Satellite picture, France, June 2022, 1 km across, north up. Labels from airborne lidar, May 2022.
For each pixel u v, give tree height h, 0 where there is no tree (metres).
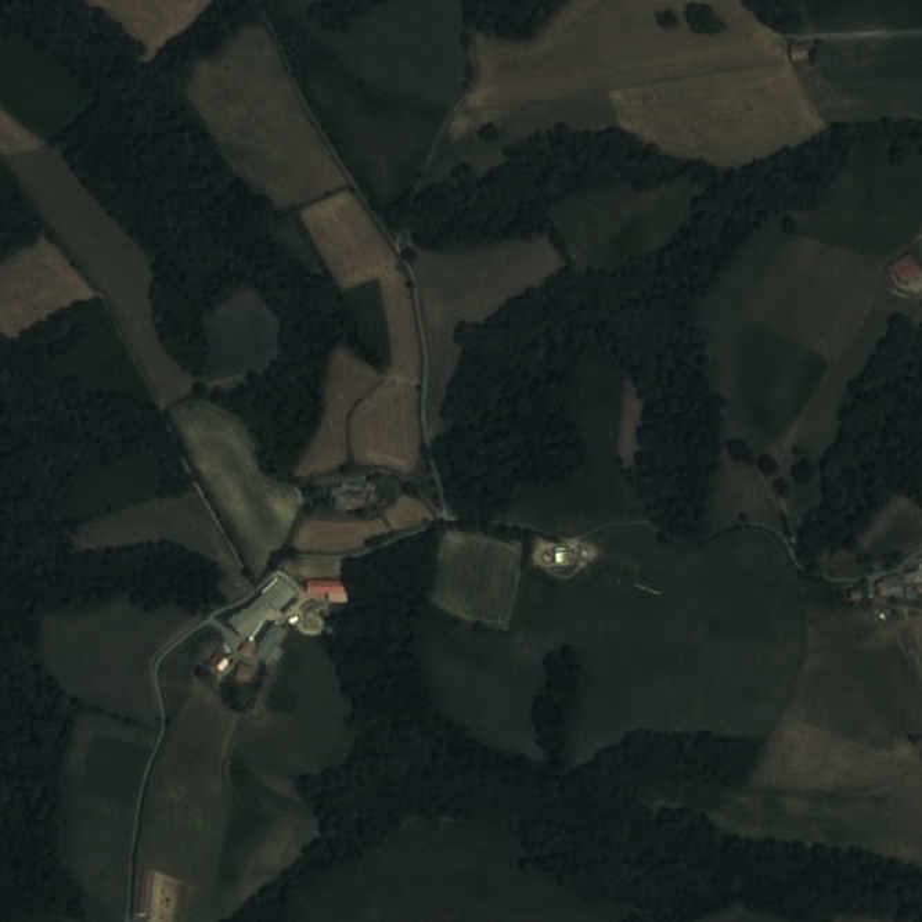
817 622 0
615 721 0
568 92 0
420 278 0
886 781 0
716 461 10
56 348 11
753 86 0
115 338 0
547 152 16
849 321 0
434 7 0
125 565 23
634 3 0
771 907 23
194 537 0
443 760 18
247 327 0
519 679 0
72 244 0
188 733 0
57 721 22
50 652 0
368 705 24
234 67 0
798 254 0
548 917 0
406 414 0
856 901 25
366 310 0
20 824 31
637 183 20
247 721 0
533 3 25
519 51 0
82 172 17
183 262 17
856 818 0
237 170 0
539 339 23
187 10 0
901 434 23
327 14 18
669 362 27
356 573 20
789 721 0
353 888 0
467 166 14
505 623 0
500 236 11
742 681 0
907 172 0
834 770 0
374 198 5
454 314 0
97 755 0
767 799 0
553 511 0
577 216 0
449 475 15
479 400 28
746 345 0
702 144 0
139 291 0
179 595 13
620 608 0
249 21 19
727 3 0
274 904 26
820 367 0
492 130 16
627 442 0
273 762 0
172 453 13
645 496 16
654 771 26
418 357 0
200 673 10
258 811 0
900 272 0
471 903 0
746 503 0
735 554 0
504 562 0
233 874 0
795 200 23
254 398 9
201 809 0
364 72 0
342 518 0
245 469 0
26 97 0
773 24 15
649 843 21
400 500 0
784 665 0
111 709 0
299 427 7
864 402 24
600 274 12
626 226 0
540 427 20
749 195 21
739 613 0
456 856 0
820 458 0
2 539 25
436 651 0
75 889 7
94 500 0
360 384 0
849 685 0
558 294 19
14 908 26
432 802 25
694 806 0
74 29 28
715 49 0
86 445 16
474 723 0
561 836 26
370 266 0
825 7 0
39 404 19
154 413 13
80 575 18
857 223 0
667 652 0
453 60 0
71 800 0
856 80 0
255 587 6
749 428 0
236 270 17
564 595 0
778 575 0
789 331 0
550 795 25
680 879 31
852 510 24
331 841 19
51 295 0
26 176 0
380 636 28
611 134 15
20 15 22
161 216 22
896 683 0
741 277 0
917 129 17
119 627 0
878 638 0
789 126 0
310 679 0
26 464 29
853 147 17
